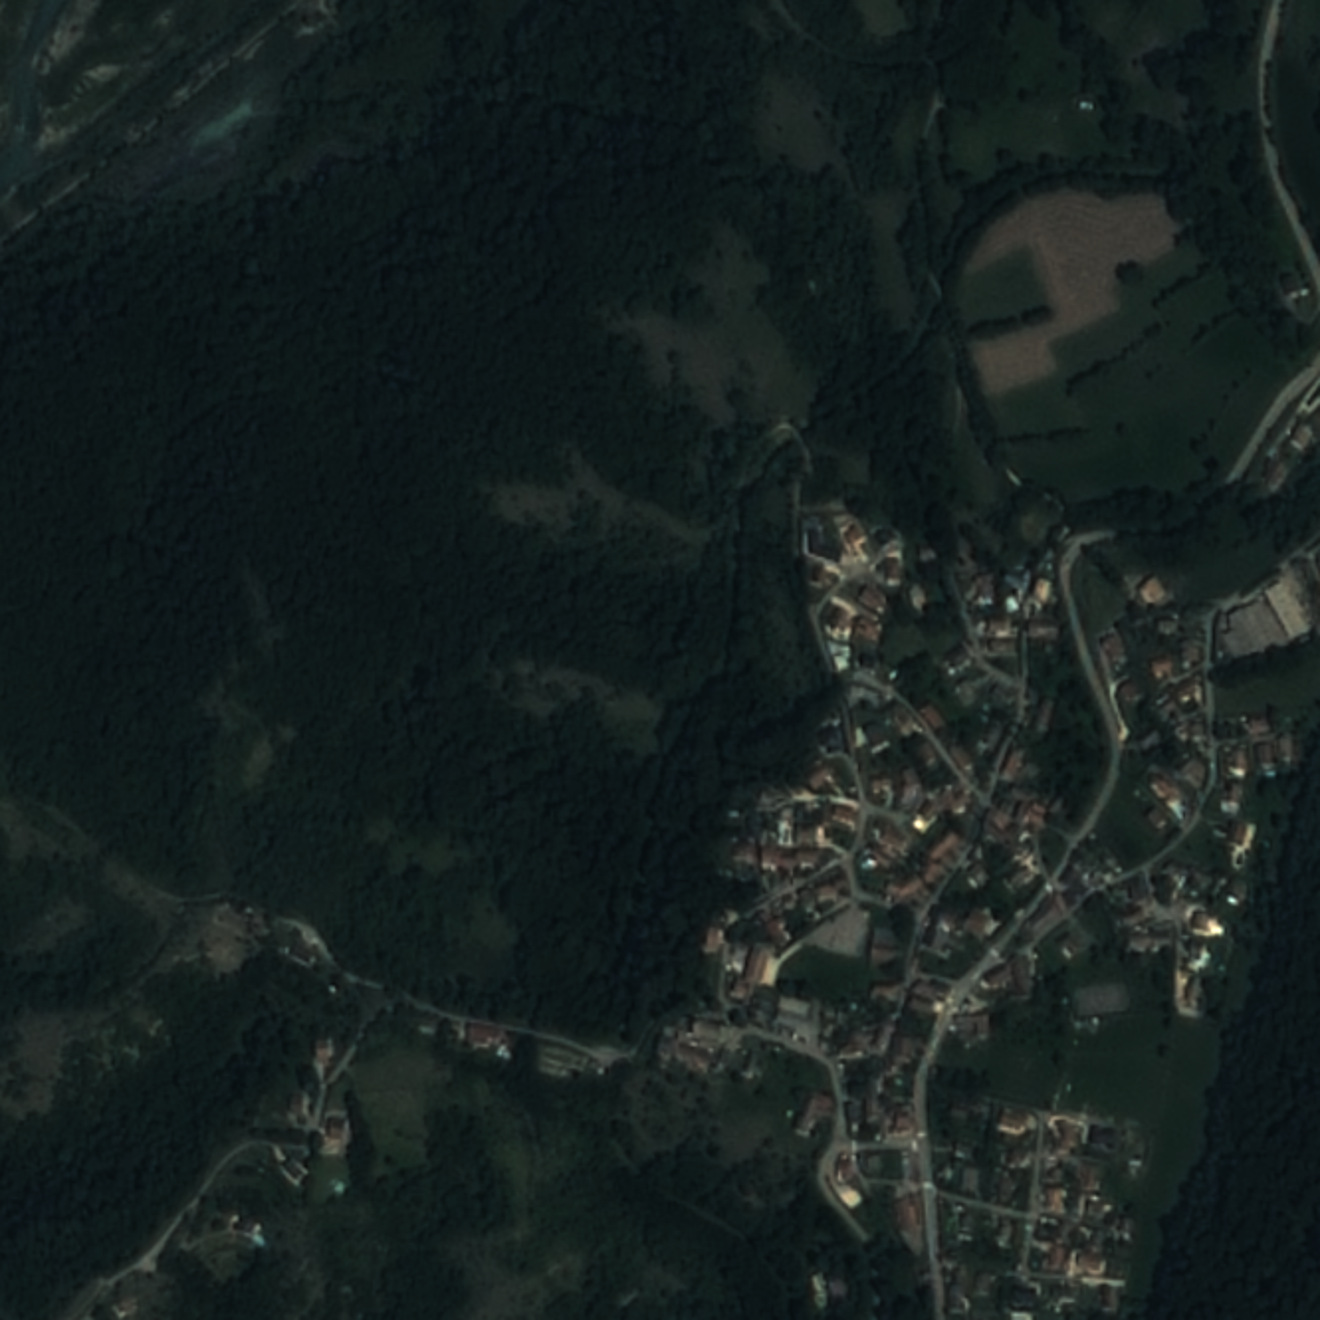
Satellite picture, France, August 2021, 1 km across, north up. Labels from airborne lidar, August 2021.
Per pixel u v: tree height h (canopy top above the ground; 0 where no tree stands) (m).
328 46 12
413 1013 9
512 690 12
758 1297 20
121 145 10
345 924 6
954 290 12
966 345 6
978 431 11
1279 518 14
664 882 18
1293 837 10
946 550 20
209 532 11
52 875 10
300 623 11
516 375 15
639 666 10
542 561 11
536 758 20
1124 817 0
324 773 12
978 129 0
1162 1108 0
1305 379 0
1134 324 0
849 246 7
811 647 7
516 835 24
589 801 18
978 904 11
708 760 20
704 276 0
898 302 0
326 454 22
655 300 14
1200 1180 13
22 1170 21
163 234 14
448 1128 12
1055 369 0
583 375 25
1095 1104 0
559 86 31
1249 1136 21
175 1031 11
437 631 20
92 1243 13
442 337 21
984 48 19
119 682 23
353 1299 7
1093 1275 0
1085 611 0
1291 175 10
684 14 22
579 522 10
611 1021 18
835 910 0
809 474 7
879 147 9
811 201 13
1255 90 0
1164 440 0
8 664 11
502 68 12
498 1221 8
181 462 16
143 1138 21
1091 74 8
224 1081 17
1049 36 0
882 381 9
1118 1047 0
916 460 14
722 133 20
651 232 19
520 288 29
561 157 23
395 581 26
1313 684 0
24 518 11
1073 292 0
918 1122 0
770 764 17
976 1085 13
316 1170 11
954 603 17
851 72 12
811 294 10
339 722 21
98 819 10
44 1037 0
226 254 17
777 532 11
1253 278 23
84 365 12
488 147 34
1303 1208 27
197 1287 7
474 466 12
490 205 32
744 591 15
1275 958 14
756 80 8
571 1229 10
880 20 0
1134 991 0
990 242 0
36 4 0
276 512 11
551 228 25
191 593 14
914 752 10
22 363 23
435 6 12
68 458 15
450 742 19
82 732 14
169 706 12
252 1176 9
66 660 19
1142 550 11
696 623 18
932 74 12
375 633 12
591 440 11
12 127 0
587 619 23
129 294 25
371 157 14
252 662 10
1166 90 14
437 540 22
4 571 11
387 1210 11
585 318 16
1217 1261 24
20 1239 21
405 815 8
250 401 16
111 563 27
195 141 0
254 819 16
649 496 6
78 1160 21
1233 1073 15
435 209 30
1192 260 0
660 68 21
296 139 12
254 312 20
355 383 31
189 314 23
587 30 22
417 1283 21
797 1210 15
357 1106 13
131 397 25
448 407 20
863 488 8
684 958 27
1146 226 0
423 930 13
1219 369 0
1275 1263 23
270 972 10
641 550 8
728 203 15
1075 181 17
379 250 18
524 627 11
